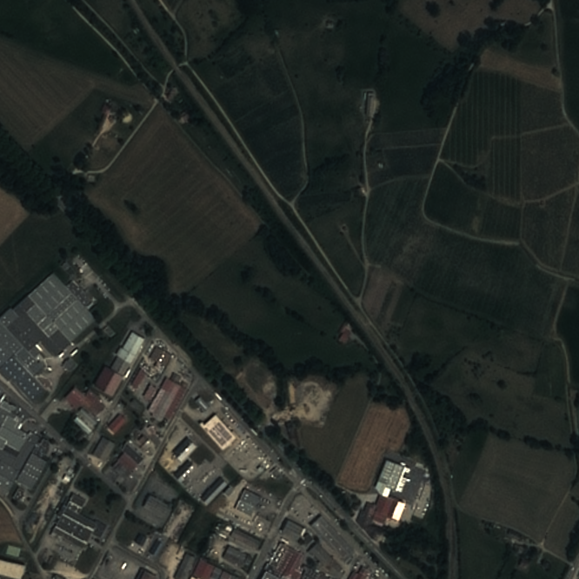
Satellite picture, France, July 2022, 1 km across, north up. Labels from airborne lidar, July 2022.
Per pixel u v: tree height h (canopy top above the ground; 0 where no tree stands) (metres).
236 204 0
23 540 0
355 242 0
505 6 0
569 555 12
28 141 0
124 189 0
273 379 0
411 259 0
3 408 0
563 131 0
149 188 0
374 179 0
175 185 0
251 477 0
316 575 0
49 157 0
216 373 26
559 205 0
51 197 24
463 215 0
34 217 0
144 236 0
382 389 11
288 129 0
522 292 0
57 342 0
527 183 0
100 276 0
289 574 0
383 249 0
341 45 0
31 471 0
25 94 0
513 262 0
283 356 0
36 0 0
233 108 0
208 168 0
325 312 0
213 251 0
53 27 0
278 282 0
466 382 0
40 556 0
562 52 0
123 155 0
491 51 0
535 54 0
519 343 0
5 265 0
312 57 0
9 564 0
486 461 0
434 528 0
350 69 0
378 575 0
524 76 0
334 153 0
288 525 0
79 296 0
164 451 0
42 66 0
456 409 13
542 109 0
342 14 0
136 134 0
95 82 0
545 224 0
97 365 0
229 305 0
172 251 0
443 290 0
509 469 0
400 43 0
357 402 0
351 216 0
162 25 0
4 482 0
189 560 0
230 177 0
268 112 0
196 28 0
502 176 0
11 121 0
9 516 0
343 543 0
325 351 0
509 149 0
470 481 0
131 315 0
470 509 0
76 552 0
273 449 0
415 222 0
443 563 13
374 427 0
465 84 12
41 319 0
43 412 0
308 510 0
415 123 0
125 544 0
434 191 0
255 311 0
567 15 0
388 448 0
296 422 15
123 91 0
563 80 0
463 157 0
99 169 0
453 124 0
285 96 0
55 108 0
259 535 0
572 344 0
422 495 0
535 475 0
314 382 0
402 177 0
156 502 0
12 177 15
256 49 0
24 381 0
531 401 0
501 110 0
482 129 0
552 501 0
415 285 0
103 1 0
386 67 12
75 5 9
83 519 0
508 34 16
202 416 0
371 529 0
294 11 0
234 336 21
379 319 0
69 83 0
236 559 0
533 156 0
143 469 0
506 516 0
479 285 0
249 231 0
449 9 0
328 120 0
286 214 6
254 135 0
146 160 0
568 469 0
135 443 0
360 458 0
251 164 0
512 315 0
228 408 0
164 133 0
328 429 0
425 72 0
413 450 0
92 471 0
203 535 0
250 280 9
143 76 17
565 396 0
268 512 0
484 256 0
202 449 0
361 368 9
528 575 0
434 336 0
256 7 18
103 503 0
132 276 24
